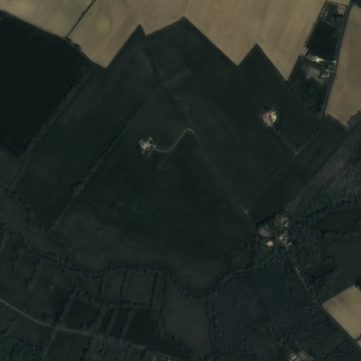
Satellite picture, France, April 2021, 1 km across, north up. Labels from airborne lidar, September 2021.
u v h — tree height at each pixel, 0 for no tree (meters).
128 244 0
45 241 0
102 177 0
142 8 0
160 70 0
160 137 0
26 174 0
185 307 0
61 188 0
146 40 0
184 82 0
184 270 0
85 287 0
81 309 0
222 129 0
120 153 0
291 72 0
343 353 11
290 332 12
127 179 0
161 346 0
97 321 15
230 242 0
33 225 18
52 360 0
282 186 0
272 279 8
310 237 30
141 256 0
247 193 0
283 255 17
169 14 0
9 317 0
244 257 0
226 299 11
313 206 22
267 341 0
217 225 0
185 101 0
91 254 0
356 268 0
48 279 0
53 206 0
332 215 0
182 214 0
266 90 0
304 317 14
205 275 0
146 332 0
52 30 0
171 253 0
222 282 12
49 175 0
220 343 16
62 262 16
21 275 0
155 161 0
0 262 0
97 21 0
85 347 0
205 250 0
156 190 0
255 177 0
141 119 0
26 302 0
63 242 12
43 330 0
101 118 0
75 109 0
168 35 0
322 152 0
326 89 0
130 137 0
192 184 0
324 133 0
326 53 0
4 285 0
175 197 0
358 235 9
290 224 22
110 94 0
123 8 0
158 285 10
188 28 0
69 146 0
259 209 0
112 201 0
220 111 0
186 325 0
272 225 8
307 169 0
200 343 0
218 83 0
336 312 0
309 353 9
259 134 0
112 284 0
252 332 11
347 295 0
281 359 0
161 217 0
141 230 0
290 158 0
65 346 0
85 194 0
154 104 0
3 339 20
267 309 9
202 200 0
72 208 0
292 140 0
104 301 0
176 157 0
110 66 0
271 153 0
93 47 0
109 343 24
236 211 0
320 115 13
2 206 0
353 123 19
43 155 0
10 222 0
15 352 26
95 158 0
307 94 0
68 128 0
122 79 0
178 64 0
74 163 0
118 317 0
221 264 0
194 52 0
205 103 0
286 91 0
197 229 0
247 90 0
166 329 0
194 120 0
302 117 0
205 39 0
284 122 0
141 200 0
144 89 0
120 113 0
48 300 0
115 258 0
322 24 0
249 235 0
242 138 0
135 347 0
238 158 0
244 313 12
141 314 0
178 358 0
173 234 0
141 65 0
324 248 0
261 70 0
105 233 0
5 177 0
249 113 0
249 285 0
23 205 13
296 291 13
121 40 0
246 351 22
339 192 19
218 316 12
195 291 0
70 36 0
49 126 7
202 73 0
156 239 0
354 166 19
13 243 0
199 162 0
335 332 13
